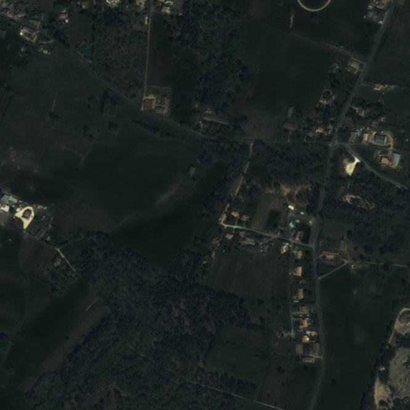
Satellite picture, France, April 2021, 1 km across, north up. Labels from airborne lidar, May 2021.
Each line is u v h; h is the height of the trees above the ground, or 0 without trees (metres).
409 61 0
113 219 0
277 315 0
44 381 19
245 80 21
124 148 0
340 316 0
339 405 0
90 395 26
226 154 32
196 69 0
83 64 0
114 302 16
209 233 0
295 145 14
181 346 31
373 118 9
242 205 11
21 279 0
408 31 0
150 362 17
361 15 0
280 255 8
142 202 0
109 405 0
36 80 0
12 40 0
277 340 0
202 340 21
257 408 0
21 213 0
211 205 18
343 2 0
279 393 0
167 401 7
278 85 0
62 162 0
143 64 15
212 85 23
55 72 0
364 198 7
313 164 21
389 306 0
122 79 12
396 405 13
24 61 0
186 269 7
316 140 6
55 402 23
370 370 0
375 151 0
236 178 11
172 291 20
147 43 11
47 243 7
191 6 15
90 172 0
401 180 0
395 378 0
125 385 20
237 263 0
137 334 22
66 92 0
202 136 0
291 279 0
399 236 0
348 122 0
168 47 0
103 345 17
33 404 9
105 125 0
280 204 0
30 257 0
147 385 14
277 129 0
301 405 0
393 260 0
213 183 0
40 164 0
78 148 0
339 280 0
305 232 0
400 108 0
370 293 0
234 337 0
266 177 0
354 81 8
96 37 19
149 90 0
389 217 13
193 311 20
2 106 0
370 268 0
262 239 8
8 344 15
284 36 0
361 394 0
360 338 0
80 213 0
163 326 16
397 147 0
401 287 0
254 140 0
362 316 0
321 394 0
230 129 12
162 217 0
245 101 0
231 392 12
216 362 0
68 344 0
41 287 0
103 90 0
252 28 0
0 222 0
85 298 0
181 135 0
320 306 0
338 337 0
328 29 0
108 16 17
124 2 7
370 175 10
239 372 0
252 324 7
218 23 14
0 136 0
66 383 14
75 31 0
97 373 16
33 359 0
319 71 0
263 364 0
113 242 11
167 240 0
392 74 0
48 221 9
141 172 0
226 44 17
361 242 17
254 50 0
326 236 0
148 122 0
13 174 0
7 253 0
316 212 14
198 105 0
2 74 0
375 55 0
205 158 13
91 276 16
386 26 0
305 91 0
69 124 0
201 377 14
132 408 10
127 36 8
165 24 8
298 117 7
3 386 0
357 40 0
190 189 0
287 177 11
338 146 0
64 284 6
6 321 0
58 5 16
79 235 10
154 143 0
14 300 0
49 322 0
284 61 0
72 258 15
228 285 0
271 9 0
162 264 0
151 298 16
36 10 7
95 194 0
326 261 13
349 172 0
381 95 0
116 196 0
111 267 15
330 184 12
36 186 0
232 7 0
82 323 0
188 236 0
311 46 0
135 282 15
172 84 0
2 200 0
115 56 13
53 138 0
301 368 0
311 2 0
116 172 0
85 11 6
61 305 0
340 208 15
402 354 0
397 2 0
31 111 0
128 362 20
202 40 9
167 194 0
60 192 0
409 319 0
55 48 0
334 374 0
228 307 19
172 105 0
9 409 0
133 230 0
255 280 0
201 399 20
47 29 8
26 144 0
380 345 0
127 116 0
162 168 0
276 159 17
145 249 0
